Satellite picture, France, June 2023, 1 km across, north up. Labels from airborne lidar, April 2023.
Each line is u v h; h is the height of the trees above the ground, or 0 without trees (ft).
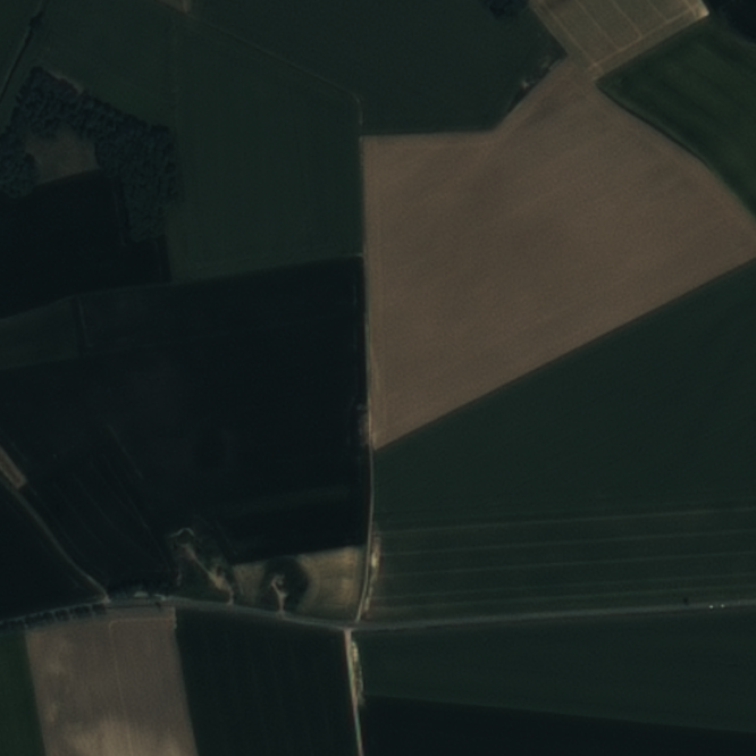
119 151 73
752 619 0
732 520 0
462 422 0
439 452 0
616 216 0
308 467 0
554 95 0
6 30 0
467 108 0
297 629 0
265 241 0
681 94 0
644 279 0
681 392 0
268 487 0
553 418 0
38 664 0
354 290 0
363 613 0
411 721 0
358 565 0
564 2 0
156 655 0
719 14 0
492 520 0
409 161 0
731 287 0
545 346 0
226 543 0
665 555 0
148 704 0
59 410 0
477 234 0
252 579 0
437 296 0
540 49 0
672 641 0
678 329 0
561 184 0
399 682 0
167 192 78
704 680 0
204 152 0
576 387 0
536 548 0
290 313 0
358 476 0
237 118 0
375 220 0
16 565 0
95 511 0
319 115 0
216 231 0
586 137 0
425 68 0
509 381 0
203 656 0
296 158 0
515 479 0
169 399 0
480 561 0
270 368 0
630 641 0
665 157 0
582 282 0
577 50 0
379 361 0
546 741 0
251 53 0
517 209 0
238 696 0
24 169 68
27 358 0
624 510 0
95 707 0
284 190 0
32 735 0
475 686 0
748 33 31
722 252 0
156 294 0
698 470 0
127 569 0
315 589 0
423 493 0
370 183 0
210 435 0
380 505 0
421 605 0
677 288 0
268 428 0
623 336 0
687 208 0
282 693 0
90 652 0
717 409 0
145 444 0
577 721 0
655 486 0
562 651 0
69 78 0
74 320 0
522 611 0
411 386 0
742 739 0
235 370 0
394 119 0
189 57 0
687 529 0
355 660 0
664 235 0
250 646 0
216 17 0
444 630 0
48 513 0
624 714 0
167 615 0
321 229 0
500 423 0
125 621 0
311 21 0
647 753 0
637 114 0
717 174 0
